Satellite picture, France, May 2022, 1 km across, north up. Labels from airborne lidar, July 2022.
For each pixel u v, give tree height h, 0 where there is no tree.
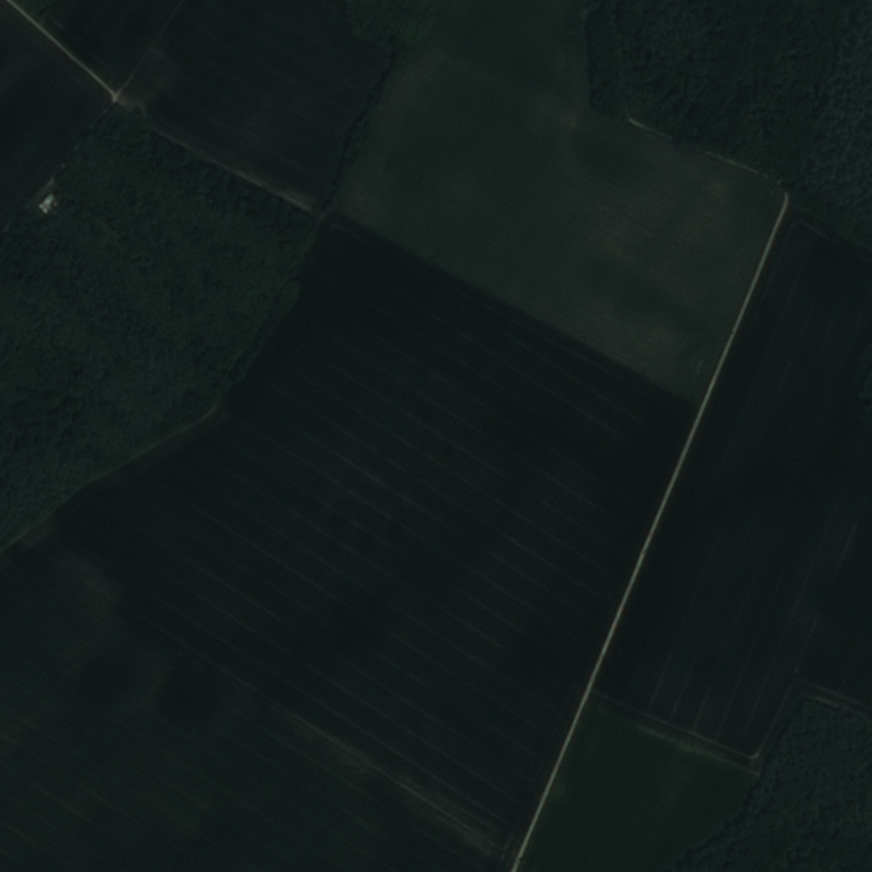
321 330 0
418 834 0
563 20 0
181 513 0
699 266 0
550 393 0
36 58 0
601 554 0
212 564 0
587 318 0
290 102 0
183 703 0
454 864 0
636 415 0
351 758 0
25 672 0
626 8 24
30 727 0
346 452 0
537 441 0
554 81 0
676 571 0
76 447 10
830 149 30
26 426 21
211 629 0
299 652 0
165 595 0
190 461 0
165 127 0
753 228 0
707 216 0
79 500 0
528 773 0
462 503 0
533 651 0
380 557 0
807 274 0
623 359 0
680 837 0
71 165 13
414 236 0
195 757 0
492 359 0
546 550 0
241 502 0
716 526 0
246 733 0
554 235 0
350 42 0
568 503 0
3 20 0
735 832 14
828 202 22
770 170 18
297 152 0
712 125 25
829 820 22
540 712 0
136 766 0
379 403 0
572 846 0
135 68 0
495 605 0
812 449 0
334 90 0
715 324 0
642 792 0
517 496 0
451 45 0
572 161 0
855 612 0
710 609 0
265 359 0
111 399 29
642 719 0
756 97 30
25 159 0
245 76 0
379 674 0
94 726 0
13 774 0
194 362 6
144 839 0
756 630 0
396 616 0
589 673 0
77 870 0
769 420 0
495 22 0
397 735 0
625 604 0
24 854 0
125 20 0
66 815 0
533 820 0
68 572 0
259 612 0
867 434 0
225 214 26
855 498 0
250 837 0
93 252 22
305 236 20
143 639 0
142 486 0
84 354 25
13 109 0
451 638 0
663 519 0
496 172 0
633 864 0
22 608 0
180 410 16
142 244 19
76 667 0
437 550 0
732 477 0
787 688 0
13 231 9
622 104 22
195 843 0
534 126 0
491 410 0
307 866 0
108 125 13
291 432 0
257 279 18
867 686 0
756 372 0
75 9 0
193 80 0
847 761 22
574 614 0
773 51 30
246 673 0
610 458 0
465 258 0
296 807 0
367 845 0
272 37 0
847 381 0
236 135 0
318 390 0
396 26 20
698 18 27
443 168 0
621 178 0
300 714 0
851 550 0
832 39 25
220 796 0
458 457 0
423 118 0
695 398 0
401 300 0
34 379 11
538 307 0
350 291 0
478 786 0
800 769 21
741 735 0
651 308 0
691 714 0
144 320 22
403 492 0
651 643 0
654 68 30
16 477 17
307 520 0
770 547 0
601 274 0
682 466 0
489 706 0
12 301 20
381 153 0
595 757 0
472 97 0
